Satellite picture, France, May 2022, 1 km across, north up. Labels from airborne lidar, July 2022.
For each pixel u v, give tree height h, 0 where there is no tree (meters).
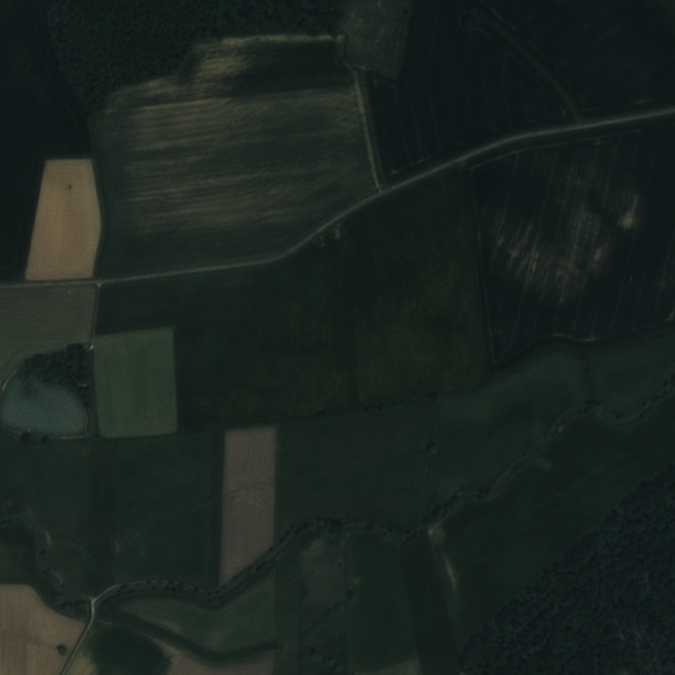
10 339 0
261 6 25
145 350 0
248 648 0
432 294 0
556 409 0
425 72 0
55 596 15
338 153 0
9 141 0
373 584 0
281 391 0
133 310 0
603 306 0
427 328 0
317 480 0
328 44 0
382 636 0
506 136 0
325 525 12
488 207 0
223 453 0
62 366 18
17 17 0
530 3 0
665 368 0
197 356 0
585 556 24
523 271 0
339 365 0
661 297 0
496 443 0
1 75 0
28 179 0
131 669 0
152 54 19
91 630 0
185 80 0
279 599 0
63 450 0
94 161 0
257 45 0
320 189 0
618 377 0
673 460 0
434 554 0
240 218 0
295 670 0
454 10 0
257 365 0
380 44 0
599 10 0
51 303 0
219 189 0
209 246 0
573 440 0
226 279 0
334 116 0
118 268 0
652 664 35
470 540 0
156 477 0
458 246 0
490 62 0
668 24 0
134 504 0
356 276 0
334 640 0
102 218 0
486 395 0
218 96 0
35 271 0
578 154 0
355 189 0
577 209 0
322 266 0
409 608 0
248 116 0
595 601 27
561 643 22
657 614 24
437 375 0
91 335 0
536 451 0
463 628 0
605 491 0
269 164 0
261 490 0
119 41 19
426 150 0
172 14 19
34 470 0
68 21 22
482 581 0
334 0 32
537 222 0
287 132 0
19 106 0
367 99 0
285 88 0
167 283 0
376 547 0
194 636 0
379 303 0
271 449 0
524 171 0
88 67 19
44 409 0
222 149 0
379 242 0
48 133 0
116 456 0
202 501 0
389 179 0
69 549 0
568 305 0
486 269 0
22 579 0
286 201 0
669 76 0
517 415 0
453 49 0
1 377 0
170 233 0
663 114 0
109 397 0
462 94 0
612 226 0
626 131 0
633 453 0
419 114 0
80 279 0
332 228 0
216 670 0
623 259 0
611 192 0
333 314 0
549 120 0
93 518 0
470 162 0
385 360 0
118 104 0
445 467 0
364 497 0
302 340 0
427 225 0
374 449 0
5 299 0
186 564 0
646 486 17
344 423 0
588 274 0
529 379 0
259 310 0
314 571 0
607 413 0
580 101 0
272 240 0
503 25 0
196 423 0
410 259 0
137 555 0
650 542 31
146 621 0
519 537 0
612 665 27
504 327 0
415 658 0
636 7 0
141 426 0
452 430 0
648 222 0
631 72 0
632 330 0
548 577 22
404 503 0
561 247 0
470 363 0
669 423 0
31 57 0
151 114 0
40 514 0
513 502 0
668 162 0
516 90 0
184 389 0
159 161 0
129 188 0
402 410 0
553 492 0
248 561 0
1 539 0
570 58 0
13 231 0
